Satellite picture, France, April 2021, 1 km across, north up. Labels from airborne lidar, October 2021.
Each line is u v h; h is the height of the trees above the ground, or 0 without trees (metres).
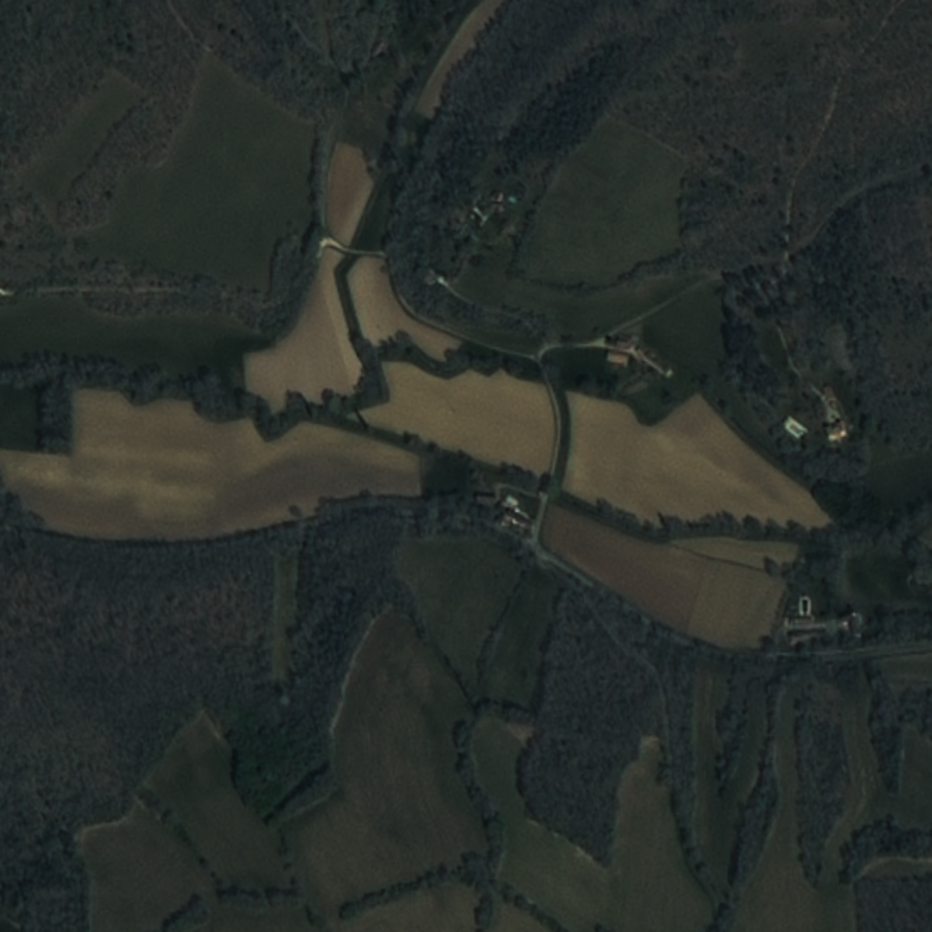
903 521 18
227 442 0
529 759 12
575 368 0
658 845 0
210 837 0
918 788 0
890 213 13
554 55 12
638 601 0
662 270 19
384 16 14
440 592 0
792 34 0
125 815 12
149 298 10
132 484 0
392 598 18
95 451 0
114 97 0
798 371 16
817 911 0
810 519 0
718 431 0
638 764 13
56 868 15
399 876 0
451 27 14
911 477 0
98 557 12
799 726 7
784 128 7
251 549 15
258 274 0
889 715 12
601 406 0
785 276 12
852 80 11
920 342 0
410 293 13
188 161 0
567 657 16
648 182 0
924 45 11
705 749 0
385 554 14
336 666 9
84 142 0
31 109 12
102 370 24
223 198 0
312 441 0
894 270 8
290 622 0
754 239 13
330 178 0
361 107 0
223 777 0
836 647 17
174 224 0
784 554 0
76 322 0
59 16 10
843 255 20
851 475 17
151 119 13
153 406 0
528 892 0
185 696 17
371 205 0
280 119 0
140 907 0
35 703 14
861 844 16
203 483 0
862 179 14
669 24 11
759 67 0
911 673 0
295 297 17
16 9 8
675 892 0
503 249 0
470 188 11
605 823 22
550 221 0
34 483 0
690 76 10
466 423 0
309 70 6
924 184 10
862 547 20
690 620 0
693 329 0
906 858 8
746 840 15
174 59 10
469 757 11
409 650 0
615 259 0
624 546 0
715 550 0
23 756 16
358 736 0
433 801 0
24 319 0
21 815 14
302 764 18
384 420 0
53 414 15
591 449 0
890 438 18
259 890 0
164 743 23
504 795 0
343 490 0
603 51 7
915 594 0
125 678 13
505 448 0
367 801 0
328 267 0
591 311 0
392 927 0
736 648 0
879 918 16
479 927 11
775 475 0
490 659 9
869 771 0
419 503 9
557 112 9
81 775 11
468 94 13
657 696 13
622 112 11
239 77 9
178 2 8
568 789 25
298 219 0
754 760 0
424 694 0
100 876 0
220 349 0
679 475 0
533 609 0
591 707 12
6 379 22
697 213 10
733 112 10
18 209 7
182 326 0
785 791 0
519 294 0
